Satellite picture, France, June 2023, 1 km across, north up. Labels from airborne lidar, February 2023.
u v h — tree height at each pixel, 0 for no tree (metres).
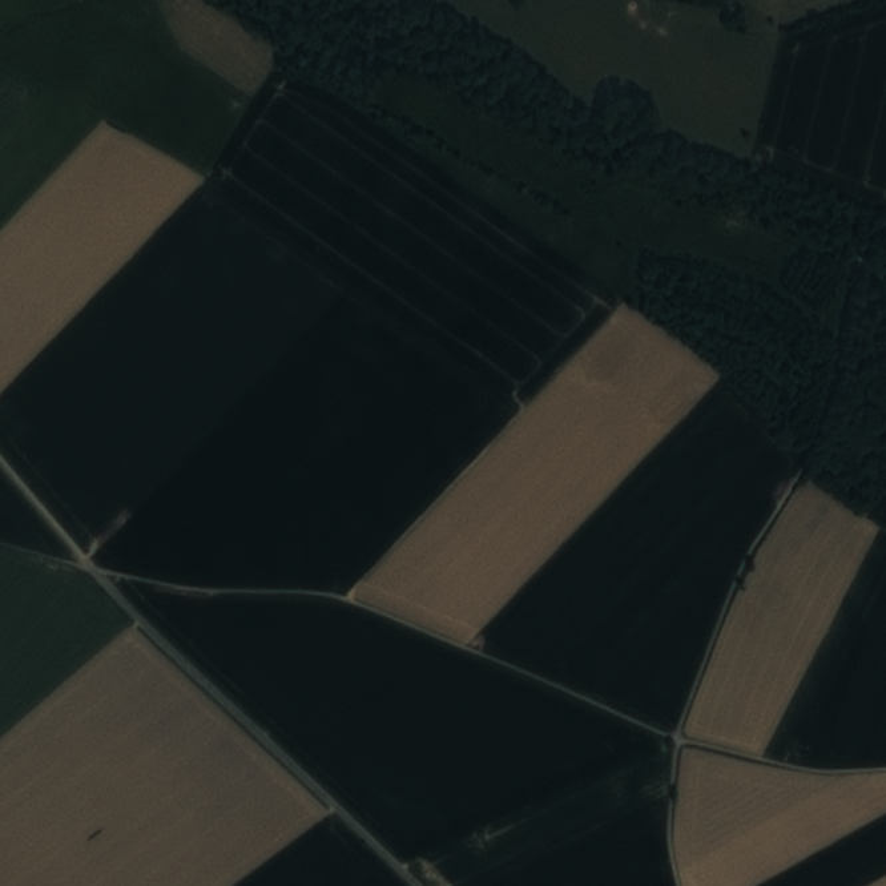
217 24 0
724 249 0
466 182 0
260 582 0
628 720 0
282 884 0
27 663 0
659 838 0
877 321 26
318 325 0
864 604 0
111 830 0
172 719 0
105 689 0
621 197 0
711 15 0
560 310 0
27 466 0
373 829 0
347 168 0
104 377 0
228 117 0
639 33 0
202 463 0
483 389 0
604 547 0
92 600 0
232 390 0
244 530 0
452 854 0
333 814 0
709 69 0
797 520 0
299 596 0
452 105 0
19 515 0
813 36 0
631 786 0
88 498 0
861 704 0
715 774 0
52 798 0
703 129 0
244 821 0
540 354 0
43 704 0
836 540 0
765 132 0
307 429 0
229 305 0
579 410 0
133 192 0
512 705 0
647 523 0
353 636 0
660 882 0
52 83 0
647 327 0
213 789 0
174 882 0
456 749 0
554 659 0
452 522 0
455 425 0
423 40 23
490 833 0
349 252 0
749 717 0
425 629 0
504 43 12
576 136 29
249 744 0
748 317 18
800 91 0
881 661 0
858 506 16
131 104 0
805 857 0
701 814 0
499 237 0
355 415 0
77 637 0
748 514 0
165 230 0
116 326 0
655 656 0
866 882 0
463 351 0
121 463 0
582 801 0
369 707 0
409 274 0
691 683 0
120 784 0
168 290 0
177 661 0
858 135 0
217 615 0
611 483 0
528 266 0
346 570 0
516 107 30
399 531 0
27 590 0
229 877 0
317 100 0
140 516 0
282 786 0
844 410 29
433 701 0
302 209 0
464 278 0
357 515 0
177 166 0
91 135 0
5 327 0
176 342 0
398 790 0
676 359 0
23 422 0
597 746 0
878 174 0
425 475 0
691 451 0
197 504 0
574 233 0
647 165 28
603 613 0
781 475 0
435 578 0
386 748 0
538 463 0
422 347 0
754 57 0
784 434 32
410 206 0
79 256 0
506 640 0
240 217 0
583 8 0
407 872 0
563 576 0
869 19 0
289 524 0
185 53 0
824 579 0
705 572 0
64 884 0
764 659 0
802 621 0
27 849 0
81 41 0
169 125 0
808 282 19
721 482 0
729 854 0
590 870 0
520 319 0
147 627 0
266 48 0
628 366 0
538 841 0
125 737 0
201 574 0
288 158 0
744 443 0
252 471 0
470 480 0
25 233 0
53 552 0
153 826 0
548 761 0
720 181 25
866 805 0
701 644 0
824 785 0
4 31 0
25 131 0
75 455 0
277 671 0
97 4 0
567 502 0
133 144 0
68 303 0
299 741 0
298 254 0
